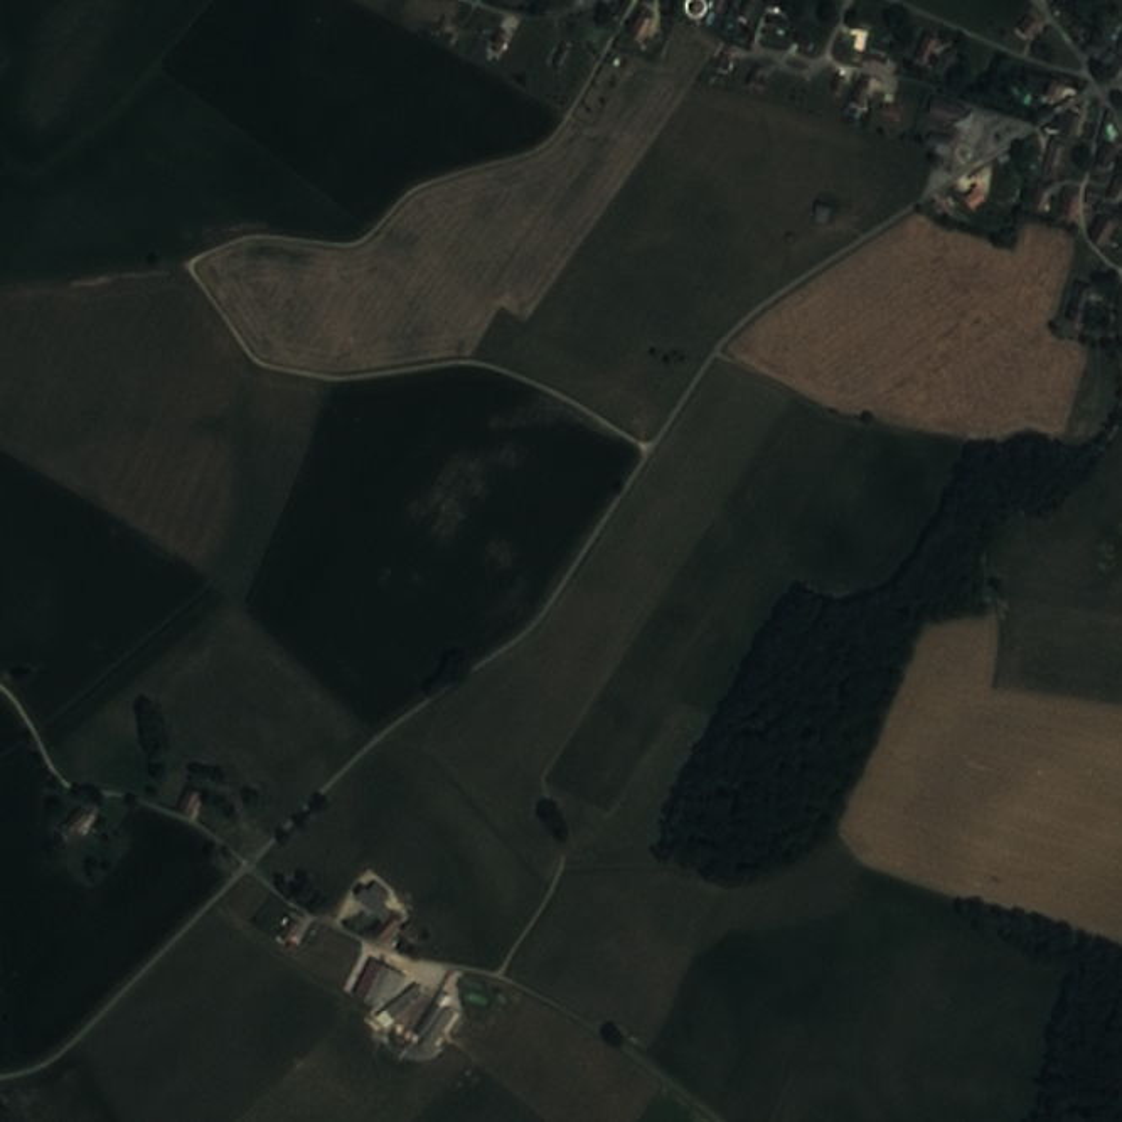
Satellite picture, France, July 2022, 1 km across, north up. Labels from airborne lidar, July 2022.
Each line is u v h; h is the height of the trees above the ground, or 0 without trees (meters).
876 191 0
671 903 0
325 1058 0
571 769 0
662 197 0
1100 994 22
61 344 0
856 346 0
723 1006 0
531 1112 0
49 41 0
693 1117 0
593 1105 0
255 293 0
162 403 0
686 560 0
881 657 18
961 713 0
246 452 0
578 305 0
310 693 0
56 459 0
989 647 0
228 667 0
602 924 0
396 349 0
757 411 0
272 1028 0
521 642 0
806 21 0
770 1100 0
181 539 0
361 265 0
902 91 0
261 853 0
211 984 0
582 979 0
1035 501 17
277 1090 0
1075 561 0
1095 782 0
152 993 0
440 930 0
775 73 0
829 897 0
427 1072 0
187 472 0
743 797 27
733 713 19
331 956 0
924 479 0
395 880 0
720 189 0
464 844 0
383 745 0
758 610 0
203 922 0
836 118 0
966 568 14
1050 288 0
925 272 0
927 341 0
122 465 0
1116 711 0
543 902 0
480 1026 0
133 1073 0
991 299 0
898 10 11
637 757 0
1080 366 0
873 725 18
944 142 0
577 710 0
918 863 0
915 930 0
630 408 0
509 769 0
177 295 0
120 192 0
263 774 0
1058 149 0
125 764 0
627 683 0
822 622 20
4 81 0
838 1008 0
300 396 0
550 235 0
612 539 0
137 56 0
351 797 0
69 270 0
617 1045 15
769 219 0
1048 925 18
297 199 0
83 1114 0
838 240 0
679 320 0
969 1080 0
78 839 0
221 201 0
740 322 0
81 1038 0
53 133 0
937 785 0
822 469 0
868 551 0
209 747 0
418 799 0
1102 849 0
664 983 0
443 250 0
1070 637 0
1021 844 0
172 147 0
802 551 0
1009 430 0
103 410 0
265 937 0
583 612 0
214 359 0
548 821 16
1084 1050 25
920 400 0
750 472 0
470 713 0
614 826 0
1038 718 0
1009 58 12
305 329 0
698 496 0
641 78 0
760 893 0
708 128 0
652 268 0
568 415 0
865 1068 0
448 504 0
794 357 0
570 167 0
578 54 0
